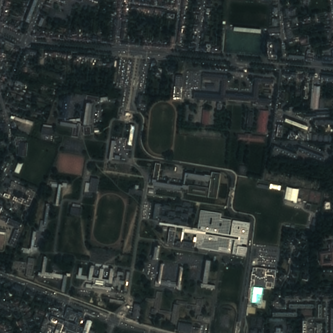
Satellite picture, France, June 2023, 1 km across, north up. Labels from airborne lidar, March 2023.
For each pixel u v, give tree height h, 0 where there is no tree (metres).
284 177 0
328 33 0
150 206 0
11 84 0
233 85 0
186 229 0
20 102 6
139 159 0
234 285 0
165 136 0
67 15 0
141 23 13
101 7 6
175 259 0
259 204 0
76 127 0
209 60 9
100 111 0
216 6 10
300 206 0
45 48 9
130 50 0
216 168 0
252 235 0
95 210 0
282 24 0
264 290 0
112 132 0
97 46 7
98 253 0
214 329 0
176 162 0
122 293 0
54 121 0
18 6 10
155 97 15
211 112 0
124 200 0
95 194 9
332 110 11
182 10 0
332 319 0
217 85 0
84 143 0
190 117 11
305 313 0
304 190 0
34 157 0
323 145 16
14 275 13
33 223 18
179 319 0
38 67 10
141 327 0
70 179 19
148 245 6
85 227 0
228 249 0
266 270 0
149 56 0
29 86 0
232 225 0
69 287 0
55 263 10
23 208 6
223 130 13
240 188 0
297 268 14
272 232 0
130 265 0
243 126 8
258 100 0
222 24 9
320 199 0
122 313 0
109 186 0
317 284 14
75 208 0
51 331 0
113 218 0
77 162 0
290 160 18
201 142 0
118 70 0
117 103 13
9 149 10
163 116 0
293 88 14
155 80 0
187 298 0
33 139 0
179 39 0
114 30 0
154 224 0
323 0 0
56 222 0
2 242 0
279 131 0
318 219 17
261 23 0
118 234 0
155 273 0
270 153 14
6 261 6
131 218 0
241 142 14
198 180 0
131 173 0
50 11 0
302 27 14
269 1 0
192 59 9
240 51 0
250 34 0
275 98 15
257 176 15
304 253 11
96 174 0
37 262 0
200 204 0
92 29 7
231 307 0
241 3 0
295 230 8
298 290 13
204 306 7
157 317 13
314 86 0
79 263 0
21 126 0
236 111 0
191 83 0
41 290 0
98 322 0
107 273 0
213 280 0
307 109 13
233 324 0
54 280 0
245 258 0
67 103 0
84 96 0
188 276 0
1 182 11
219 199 0
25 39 0
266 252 0
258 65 9
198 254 0
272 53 0
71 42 10
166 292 16
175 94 0
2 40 0
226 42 0
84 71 12
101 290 0
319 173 9
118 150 0
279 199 0
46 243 11
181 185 0
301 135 0
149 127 0
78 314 0
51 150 0
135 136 0
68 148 0
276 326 0
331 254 0
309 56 0
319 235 15
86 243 11
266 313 14
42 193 18
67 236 0
